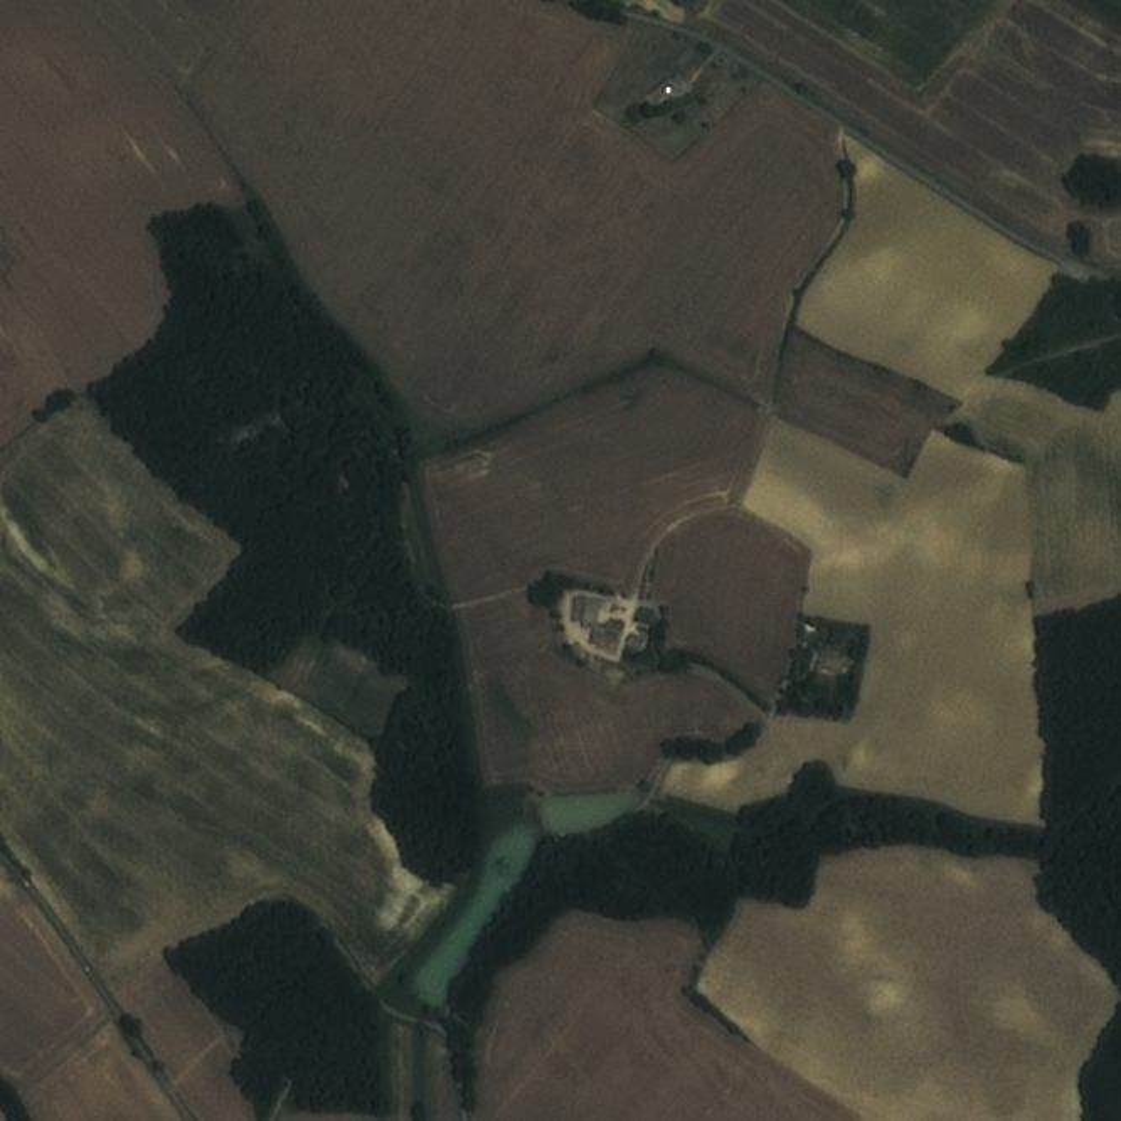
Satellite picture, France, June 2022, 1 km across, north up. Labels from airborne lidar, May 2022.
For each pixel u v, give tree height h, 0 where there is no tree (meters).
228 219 12
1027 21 0
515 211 0
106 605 0
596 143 0
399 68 0
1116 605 14
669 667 10
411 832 7
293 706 0
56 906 0
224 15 0
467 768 15
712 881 14
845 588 0
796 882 22
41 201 0
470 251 0
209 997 18
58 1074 0
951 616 0
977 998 0
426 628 21
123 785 0
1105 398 13
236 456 19
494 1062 0
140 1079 0
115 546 0
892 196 0
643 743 0
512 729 0
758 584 0
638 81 0
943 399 0
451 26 0
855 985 0
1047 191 0
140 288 0
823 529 0
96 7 0
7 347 0
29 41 0
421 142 0
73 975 0
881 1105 0
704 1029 0
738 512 0
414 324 0
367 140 0
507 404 0
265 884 0
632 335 0
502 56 0
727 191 0
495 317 0
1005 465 0
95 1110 0
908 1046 0
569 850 14
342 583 19
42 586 0
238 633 17
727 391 0
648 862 14
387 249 0
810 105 0
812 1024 0
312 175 0
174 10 0
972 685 0
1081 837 28
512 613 0
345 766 0
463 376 0
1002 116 0
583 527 0
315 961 21
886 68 0
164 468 17
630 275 0
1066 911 18
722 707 0
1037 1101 0
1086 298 7
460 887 0
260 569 18
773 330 0
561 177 0
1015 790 0
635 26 0
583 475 0
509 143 0
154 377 21
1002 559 0
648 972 0
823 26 0
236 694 0
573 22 0
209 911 0
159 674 0
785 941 0
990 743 0
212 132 0
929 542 0
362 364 14
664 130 0
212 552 0
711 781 0
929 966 0
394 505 16
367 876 0
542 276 0
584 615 0
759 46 0
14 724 0
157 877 0
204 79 0
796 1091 0
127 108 0
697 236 0
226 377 21
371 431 20
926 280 0
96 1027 0
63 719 0
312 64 0
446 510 0
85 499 0
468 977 18
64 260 0
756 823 18
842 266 0
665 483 0
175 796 0
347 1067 23
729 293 0
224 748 0
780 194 0
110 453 0
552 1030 0
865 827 20
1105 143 0
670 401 0
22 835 0
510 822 0
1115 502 0
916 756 0
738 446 0
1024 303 0
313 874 0
